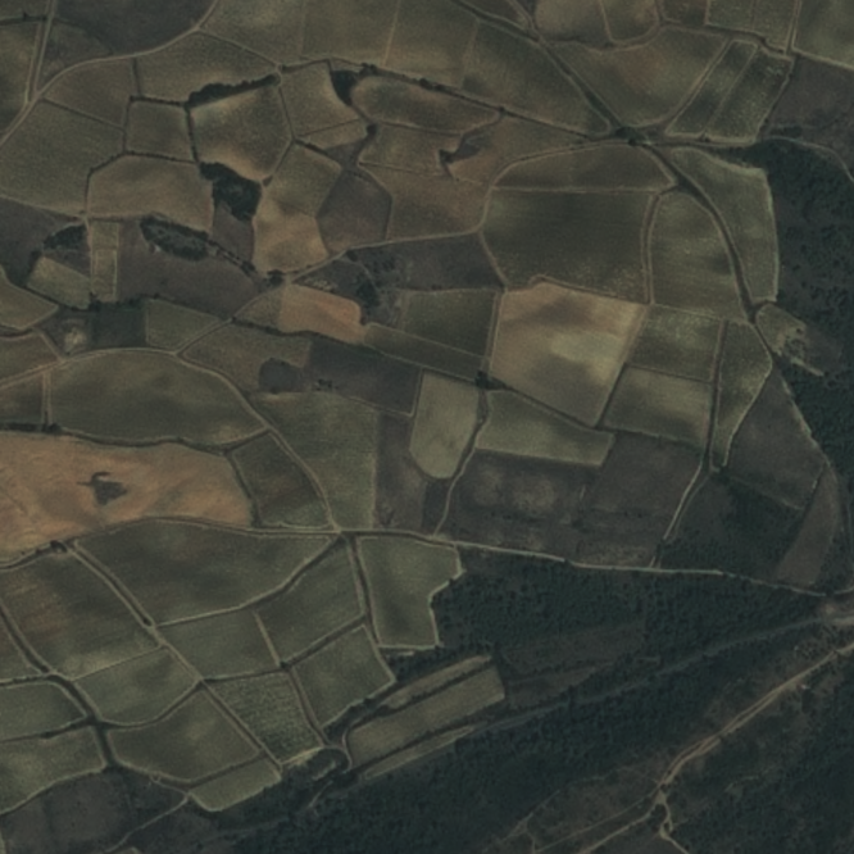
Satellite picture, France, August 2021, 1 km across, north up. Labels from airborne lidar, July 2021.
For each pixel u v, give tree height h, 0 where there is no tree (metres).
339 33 0
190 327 0
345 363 0
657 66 0
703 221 0
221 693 0
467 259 0
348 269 0
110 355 0
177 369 0
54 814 0
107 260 0
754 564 0
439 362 0
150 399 0
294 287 0
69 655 0
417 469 0
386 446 0
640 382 0
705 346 0
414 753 0
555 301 0
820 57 0
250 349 0
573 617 13
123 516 0
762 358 0
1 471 0
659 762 0
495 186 0
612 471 0
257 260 0
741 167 0
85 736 0
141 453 0
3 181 0
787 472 0
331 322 0
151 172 0
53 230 0
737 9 0
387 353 0
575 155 0
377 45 0
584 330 0
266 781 0
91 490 0
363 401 0
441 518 0
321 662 0
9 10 0
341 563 0
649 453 0
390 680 0
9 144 0
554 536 0
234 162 0
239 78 0
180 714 0
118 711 0
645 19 0
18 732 0
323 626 0
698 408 0
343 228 0
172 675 0
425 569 0
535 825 0
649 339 0
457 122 0
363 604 0
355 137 0
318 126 0
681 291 0
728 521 6
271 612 0
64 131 0
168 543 0
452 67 0
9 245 0
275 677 0
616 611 13
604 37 0
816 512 0
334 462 0
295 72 0
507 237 0
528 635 15
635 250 0
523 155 0
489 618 13
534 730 11
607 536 0
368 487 0
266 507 0
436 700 0
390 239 0
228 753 0
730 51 0
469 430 0
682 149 0
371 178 0
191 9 0
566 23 0
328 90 0
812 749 6
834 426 9
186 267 0
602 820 0
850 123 0
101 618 0
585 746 12
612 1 0
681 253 0
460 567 0
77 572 0
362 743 0
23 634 0
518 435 0
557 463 0
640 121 0
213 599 0
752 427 0
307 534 0
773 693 0
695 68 0
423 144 0
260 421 0
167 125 0
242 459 0
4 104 0
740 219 0
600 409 0
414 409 0
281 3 0
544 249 0
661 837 0
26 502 0
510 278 0
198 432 0
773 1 0
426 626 0
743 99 0
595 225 0
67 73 0
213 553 0
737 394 0
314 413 0
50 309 0
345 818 13
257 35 0
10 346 0
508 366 0
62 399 0
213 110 0
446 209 0
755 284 0
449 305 0
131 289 0
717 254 0
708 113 0
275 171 0
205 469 0
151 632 0
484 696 0
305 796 8
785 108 0
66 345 0
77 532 0
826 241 7
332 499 0
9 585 0
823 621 0
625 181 0
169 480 0
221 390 0
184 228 5
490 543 0
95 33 0
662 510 0
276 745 0
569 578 11
